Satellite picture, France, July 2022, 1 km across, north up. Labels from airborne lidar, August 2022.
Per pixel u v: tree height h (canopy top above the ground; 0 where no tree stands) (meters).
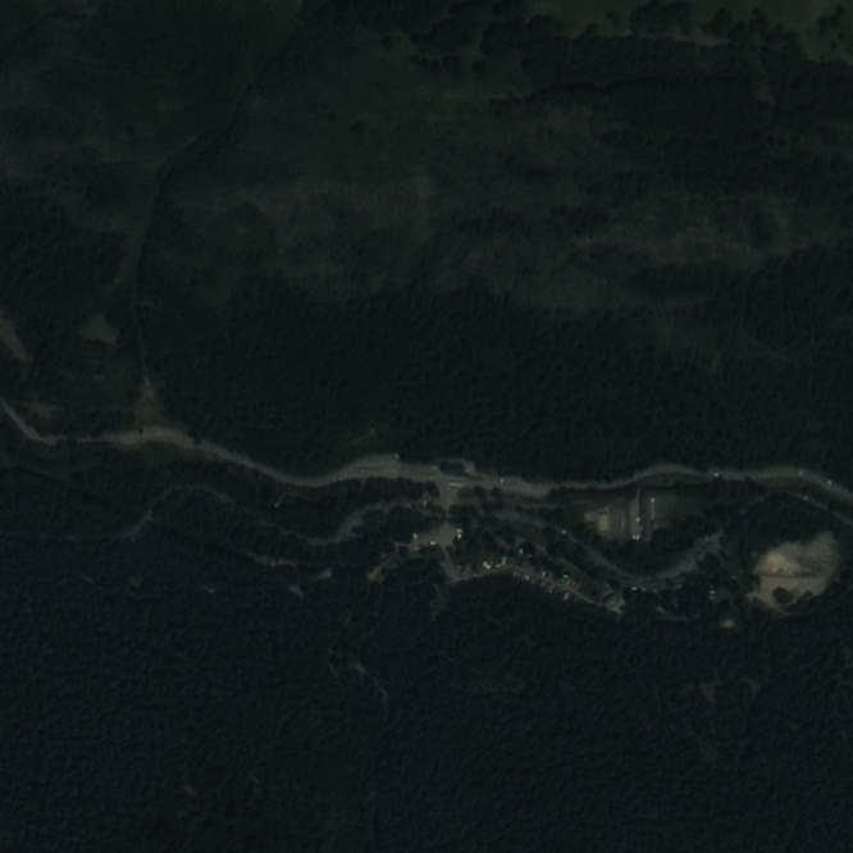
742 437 8
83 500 20
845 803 15
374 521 18
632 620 27
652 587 0
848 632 20
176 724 21
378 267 6
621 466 14
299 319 15
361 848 14
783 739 20
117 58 15
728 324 8
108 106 6
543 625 11
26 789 25
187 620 18
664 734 16
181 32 8
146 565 24
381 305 16
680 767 18
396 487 18
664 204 9
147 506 11
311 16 6
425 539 0
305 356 17
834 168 14
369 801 29
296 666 24
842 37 8
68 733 14
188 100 12
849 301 13
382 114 0
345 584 23
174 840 21
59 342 18
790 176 15
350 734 16
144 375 7
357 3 19
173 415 24
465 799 17
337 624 13
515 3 17
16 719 25
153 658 29
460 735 17
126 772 13
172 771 13
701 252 7
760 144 18
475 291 10
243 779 18
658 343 6
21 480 20
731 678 24
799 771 12
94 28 8
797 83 14
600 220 6
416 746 20
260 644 21
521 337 19
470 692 23
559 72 24
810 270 10
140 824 26
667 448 21
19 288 18
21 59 7
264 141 0
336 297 9
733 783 22
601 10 0
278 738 21
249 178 0
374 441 10
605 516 0
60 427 13
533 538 0
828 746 15
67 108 6
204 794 20
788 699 21
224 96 9
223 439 11
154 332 15
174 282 7
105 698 27
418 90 0
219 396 13
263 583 26
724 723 16
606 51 21
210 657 23
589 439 16
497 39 18
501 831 22
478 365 11
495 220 8
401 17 27
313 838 11
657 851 25
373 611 21
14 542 17
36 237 16
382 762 30
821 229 6
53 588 23
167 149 8
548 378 16
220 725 22
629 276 5
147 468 11
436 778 16
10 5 9
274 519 19
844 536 15
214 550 25
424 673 20
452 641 23
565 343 16
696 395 19
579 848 19
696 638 32
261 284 8
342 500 17
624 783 17
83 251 10
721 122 21
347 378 14
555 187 10
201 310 10
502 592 20
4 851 17
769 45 18
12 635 20
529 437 21
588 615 15
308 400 11
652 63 22
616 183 7
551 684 19
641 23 17
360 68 0
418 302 8
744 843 15
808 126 22
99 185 7
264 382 10
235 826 17
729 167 21
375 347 21
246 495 12
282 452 17
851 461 9
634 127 20
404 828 18
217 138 8
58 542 11
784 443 11
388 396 12
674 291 7
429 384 13
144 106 9
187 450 0
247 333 13
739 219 16
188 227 8
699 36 0
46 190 12
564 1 0
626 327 12
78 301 7
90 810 24
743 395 7
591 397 11
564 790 22
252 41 7
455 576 0
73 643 15
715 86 22
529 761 24
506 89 0
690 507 0
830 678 16
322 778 16
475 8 21
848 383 18
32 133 6
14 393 15
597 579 17
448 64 14
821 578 0
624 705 17
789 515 20
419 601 24
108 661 18
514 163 15
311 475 6
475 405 11
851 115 14
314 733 19
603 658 17
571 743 17
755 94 18
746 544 9
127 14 6
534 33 15
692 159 20
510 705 18
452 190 7
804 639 21
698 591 19
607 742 28
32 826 28
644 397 18
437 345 15
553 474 14
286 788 21
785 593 11
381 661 6
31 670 24
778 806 27
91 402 8
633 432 15
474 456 6
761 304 14
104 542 11
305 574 22
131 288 6
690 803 24
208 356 21
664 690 13
